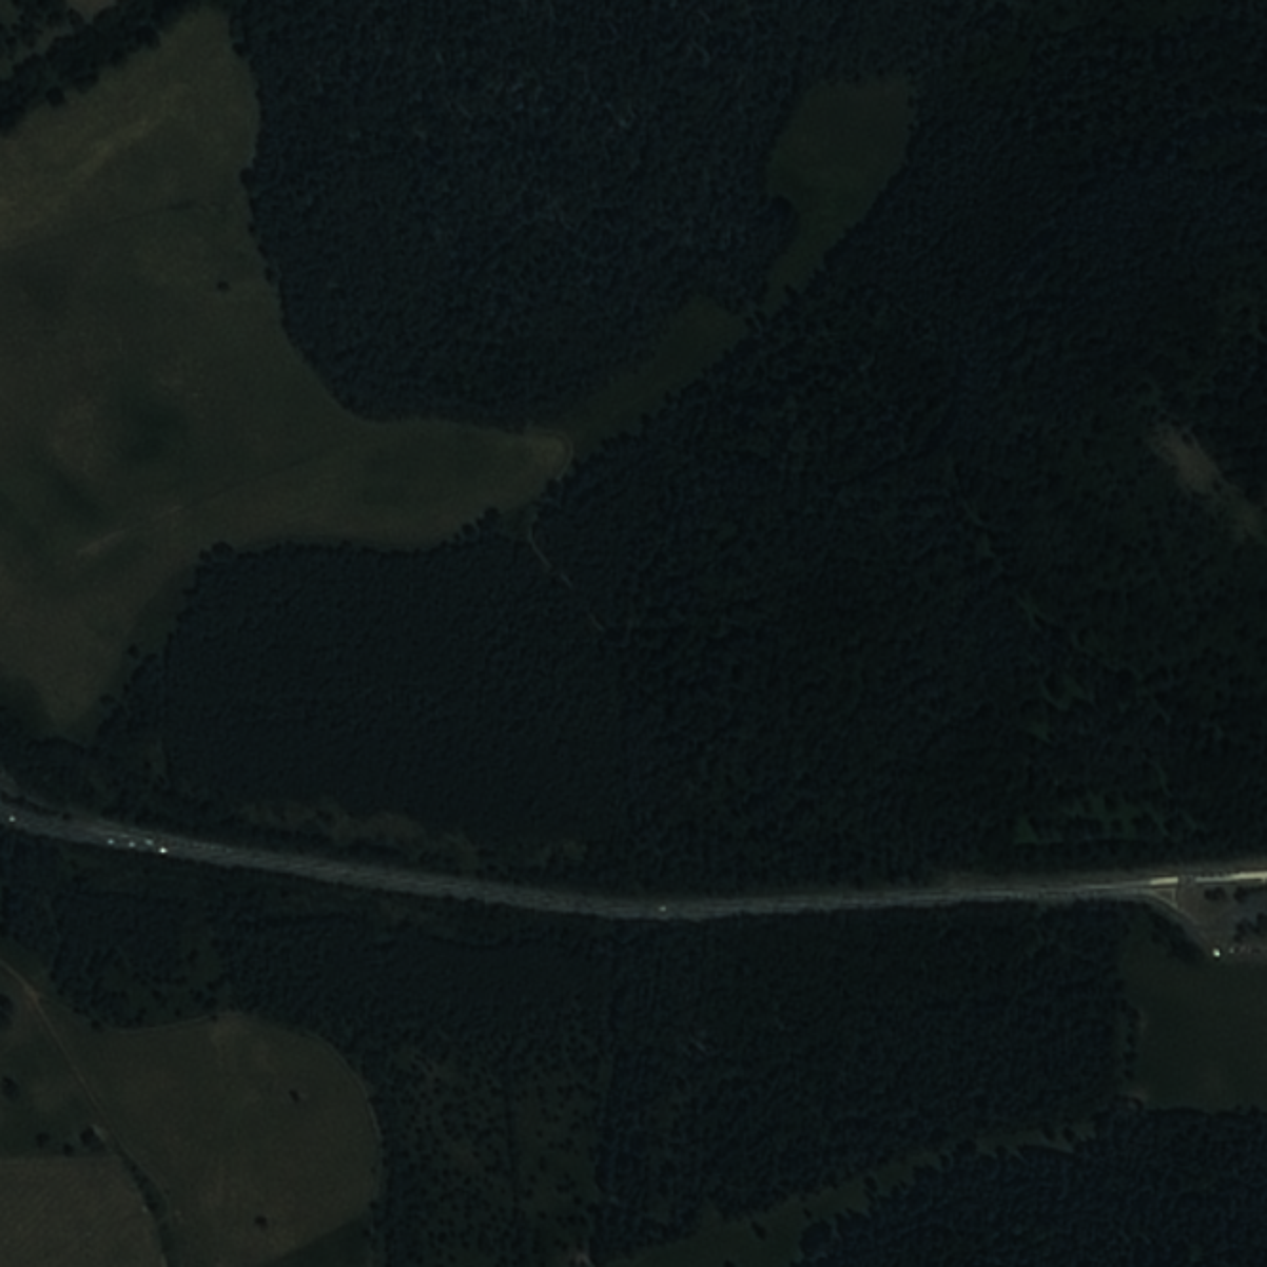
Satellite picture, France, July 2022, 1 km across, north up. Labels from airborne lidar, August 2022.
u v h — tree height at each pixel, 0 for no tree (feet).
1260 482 48
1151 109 34
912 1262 58
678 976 51
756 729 46
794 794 47
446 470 0
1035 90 47
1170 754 58
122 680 0
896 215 49
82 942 36
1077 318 85
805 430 65
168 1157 0
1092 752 53
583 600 38
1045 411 58
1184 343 51
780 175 0
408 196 38
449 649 44
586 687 44
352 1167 0
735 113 41
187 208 0
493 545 40
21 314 0
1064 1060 60
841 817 37
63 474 0
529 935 24
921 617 57
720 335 0
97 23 30
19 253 0
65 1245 0
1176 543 20
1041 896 0
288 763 33
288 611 41
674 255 65
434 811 38
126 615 0
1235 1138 37
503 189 53
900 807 51
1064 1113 29
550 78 52
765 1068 38
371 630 38
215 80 0
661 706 28
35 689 0
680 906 0
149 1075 0
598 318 46
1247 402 79
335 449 0
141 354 0
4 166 0
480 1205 21
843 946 46
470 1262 0
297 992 37
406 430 0
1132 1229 74
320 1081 0
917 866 53
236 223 0
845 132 0
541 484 0
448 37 35
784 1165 48
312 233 64
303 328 55
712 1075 42
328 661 36
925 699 49
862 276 44
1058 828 44
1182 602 38
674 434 41
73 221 0
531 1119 0
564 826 42
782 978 57
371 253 65
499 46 65
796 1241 0
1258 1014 0
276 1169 0
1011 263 37
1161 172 63
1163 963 0
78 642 0
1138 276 63
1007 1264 90
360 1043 31
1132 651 20
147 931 33
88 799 33
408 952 38
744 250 67
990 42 24
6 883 42
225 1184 0
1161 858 40
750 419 71
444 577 31
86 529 0
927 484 70
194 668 37
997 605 68
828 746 57
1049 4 30
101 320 0
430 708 31
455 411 56
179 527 0
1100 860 37
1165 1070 0
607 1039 34
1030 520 60
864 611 40
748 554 60
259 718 28
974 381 65
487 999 35
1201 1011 0
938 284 54
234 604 38
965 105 51
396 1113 22
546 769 41
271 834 34
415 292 45
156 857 31
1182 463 0
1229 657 44
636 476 37
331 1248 0
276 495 0
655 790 62
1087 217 56
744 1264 0
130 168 0
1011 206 41
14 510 0
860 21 61
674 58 49
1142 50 37
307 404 0
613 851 36
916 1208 66
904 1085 62
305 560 38
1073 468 26
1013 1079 64
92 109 0
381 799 35
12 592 0
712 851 46
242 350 0
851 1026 41
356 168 53
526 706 41
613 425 0
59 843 23
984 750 73
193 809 30
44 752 39
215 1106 0
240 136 0
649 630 31
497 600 28
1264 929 29
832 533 55
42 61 32
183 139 0
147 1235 0
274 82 41
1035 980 47
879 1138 71
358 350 39
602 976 38
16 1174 0
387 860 48
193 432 0
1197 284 52
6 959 0
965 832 59
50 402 0
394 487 0
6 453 0
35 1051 0
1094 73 64
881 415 48
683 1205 28
